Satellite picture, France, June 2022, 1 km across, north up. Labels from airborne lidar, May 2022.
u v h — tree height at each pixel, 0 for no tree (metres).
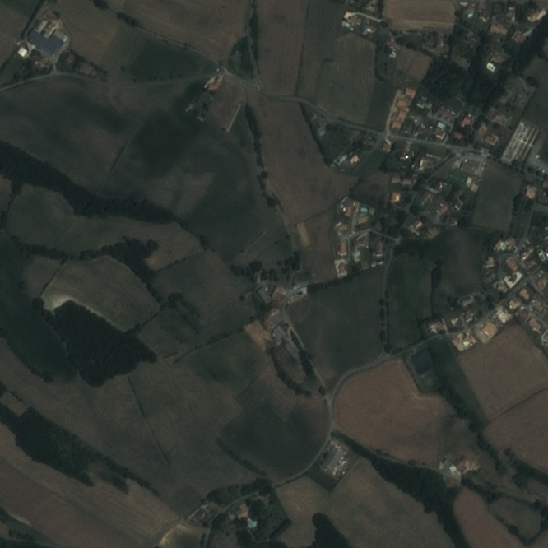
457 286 0
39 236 0
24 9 0
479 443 11
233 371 0
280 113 0
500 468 13
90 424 0
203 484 0
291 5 0
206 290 0
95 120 0
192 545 0
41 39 0
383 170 10
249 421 0
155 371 0
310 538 0
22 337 0
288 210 0
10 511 0
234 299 0
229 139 0
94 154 0
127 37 0
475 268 0
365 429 0
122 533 0
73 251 0
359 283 0
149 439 0
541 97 0
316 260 0
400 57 0
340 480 0
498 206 0
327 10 0
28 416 13
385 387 0
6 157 18
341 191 0
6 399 0
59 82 0
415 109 7
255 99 0
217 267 0
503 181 0
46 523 0
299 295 0
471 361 0
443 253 0
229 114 0
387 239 12
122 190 0
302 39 0
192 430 0
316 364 0
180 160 0
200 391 0
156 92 0
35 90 0
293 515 0
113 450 0
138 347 20
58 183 20
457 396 9
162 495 0
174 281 0
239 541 9
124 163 0
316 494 0
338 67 0
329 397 0
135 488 0
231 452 9
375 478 0
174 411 0
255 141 7
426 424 0
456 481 0
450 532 14
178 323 0
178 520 0
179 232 0
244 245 0
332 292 0
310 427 0
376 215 8
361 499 0
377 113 0
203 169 0
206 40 0
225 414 0
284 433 0
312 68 0
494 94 13
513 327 0
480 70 14
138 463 0
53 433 8
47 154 0
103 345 14
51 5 0
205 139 0
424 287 0
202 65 0
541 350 0
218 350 0
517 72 12
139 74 0
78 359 14
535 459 0
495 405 0
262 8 0
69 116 0
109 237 0
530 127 0
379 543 0
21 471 0
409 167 6
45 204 0
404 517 0
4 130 0
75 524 0
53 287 0
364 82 0
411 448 0
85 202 21
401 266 0
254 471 6
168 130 0
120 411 0
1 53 0
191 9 0
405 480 20
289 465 0
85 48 0
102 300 0
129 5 0
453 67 11
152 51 0
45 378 10
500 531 0
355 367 0
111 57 0
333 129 7
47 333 0
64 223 0
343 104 0
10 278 0
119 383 0
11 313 0
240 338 0
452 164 0
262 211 0
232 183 0
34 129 0
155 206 8
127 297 0
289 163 0
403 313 0
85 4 0
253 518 16
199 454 0
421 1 0
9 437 0
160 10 0
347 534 0
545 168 0
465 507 0
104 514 0
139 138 0
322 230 0
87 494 0
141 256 18
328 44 0
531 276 0
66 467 10
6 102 0
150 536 0
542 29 13
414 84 0
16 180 13
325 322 0
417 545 0
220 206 0
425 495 14
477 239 0
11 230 0
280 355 0
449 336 0
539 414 0
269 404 0
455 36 11
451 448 0
